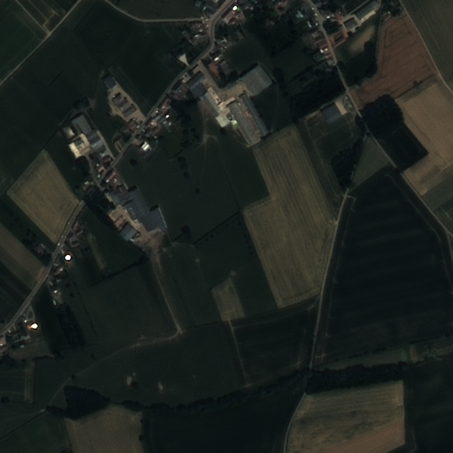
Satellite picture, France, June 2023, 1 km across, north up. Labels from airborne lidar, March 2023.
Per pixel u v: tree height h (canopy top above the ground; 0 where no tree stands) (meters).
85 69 0
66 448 0
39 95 0
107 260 0
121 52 0
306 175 0
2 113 0
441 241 0
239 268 0
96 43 0
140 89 0
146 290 0
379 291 0
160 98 0
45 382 0
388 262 0
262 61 0
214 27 0
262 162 0
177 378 0
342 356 0
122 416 0
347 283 0
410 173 0
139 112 0
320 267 0
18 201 0
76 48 0
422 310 0
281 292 0
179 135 0
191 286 0
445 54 0
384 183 0
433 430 0
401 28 0
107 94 0
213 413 0
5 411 0
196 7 0
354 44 0
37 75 0
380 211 0
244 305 0
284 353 0
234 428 0
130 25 0
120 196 0
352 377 22
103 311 0
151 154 0
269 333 0
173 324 0
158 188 0
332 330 0
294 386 0
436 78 0
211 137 0
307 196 0
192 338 0
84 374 0
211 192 0
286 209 0
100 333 0
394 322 0
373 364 0
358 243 0
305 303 0
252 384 0
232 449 0
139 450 0
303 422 0
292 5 0
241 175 0
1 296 0
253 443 0
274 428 0
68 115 0
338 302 0
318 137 0
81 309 0
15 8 0
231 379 0
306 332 0
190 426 0
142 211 0
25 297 0
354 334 0
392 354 0
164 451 0
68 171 0
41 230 0
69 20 0
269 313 0
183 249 0
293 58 0
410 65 0
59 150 0
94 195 26
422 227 0
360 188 0
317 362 0
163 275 0
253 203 0
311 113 0
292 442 0
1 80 0
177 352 0
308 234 0
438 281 0
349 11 0
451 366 0
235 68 0
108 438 0
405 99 0
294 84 0
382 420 0
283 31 0
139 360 0
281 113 0
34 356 0
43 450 0
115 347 0
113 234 0
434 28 0
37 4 0
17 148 0
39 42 0
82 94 0
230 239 0
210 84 0
